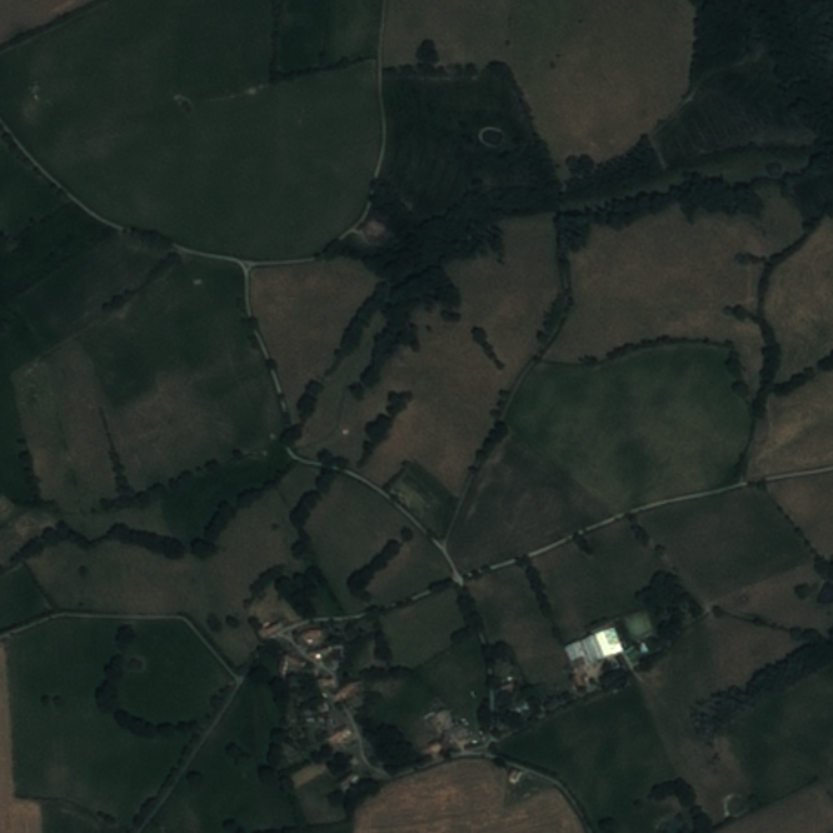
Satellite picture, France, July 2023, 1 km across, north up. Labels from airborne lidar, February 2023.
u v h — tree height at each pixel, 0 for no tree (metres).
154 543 17
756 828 0
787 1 10
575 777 0
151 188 0
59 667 0
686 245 0
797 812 0
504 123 0
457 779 0
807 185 0
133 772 0
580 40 0
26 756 0
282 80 8
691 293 0
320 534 0
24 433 0
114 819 10
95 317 0
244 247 0
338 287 0
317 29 0
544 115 0
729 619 0
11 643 0
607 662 8
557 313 9
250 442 0
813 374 10
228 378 0
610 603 0
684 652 0
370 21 0
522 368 0
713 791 0
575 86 0
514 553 0
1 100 0
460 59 0
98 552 0
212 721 10
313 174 0
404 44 0
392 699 0
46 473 0
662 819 0
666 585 11
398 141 0
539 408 0
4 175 0
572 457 0
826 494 0
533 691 14
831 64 14
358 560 0
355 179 0
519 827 0
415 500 0
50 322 0
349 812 12
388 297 17
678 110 0
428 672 0
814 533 0
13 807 0
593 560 0
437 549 0
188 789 0
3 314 0
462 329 0
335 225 0
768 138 0
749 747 0
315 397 18
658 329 0
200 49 0
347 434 0
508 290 0
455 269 0
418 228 9
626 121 0
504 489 0
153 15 0
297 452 0
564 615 0
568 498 0
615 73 0
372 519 0
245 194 0
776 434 0
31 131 0
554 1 0
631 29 0
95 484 0
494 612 0
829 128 18
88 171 0
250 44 0
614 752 0
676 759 0
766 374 10
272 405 0
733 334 0
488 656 11
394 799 0
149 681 0
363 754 0
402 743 7
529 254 0
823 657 18
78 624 0
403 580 0
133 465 0
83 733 0
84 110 0
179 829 0
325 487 16
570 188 9
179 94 0
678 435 0
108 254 0
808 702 0
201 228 0
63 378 0
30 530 0
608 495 0
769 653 0
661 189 0
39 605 0
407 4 0
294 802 8
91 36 0
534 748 0
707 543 0
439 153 0
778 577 0
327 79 0
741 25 23
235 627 8
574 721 0
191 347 0
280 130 0
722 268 0
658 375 0
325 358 0
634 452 0
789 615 0
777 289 0
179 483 14
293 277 0
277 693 13
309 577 10
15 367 0
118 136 0
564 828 0
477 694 0
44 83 0
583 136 0
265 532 0
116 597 0
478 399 0
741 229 0
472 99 0
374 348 0
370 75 0
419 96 0
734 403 0
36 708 0
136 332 0
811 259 0
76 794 0
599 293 0
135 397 0
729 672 0
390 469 0
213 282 0
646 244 0
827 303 0
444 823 0
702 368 0
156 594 0
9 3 0
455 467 0
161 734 11
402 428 0
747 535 0
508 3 0
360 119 0
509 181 0
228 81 0
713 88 0
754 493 0
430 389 0
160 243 17
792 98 20
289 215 0
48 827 0
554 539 0
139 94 0
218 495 0
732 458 0
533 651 0
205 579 0
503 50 0
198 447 0
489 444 11
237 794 0
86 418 0
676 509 0
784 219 0
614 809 0
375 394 0
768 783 0
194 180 0
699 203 17
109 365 0
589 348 0
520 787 0
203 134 0
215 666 0
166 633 0
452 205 0
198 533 0
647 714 0
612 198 0
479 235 9
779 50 13
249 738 0
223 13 0
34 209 0
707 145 0
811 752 0
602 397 0
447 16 0
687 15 0
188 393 0
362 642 8
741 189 15
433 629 0
